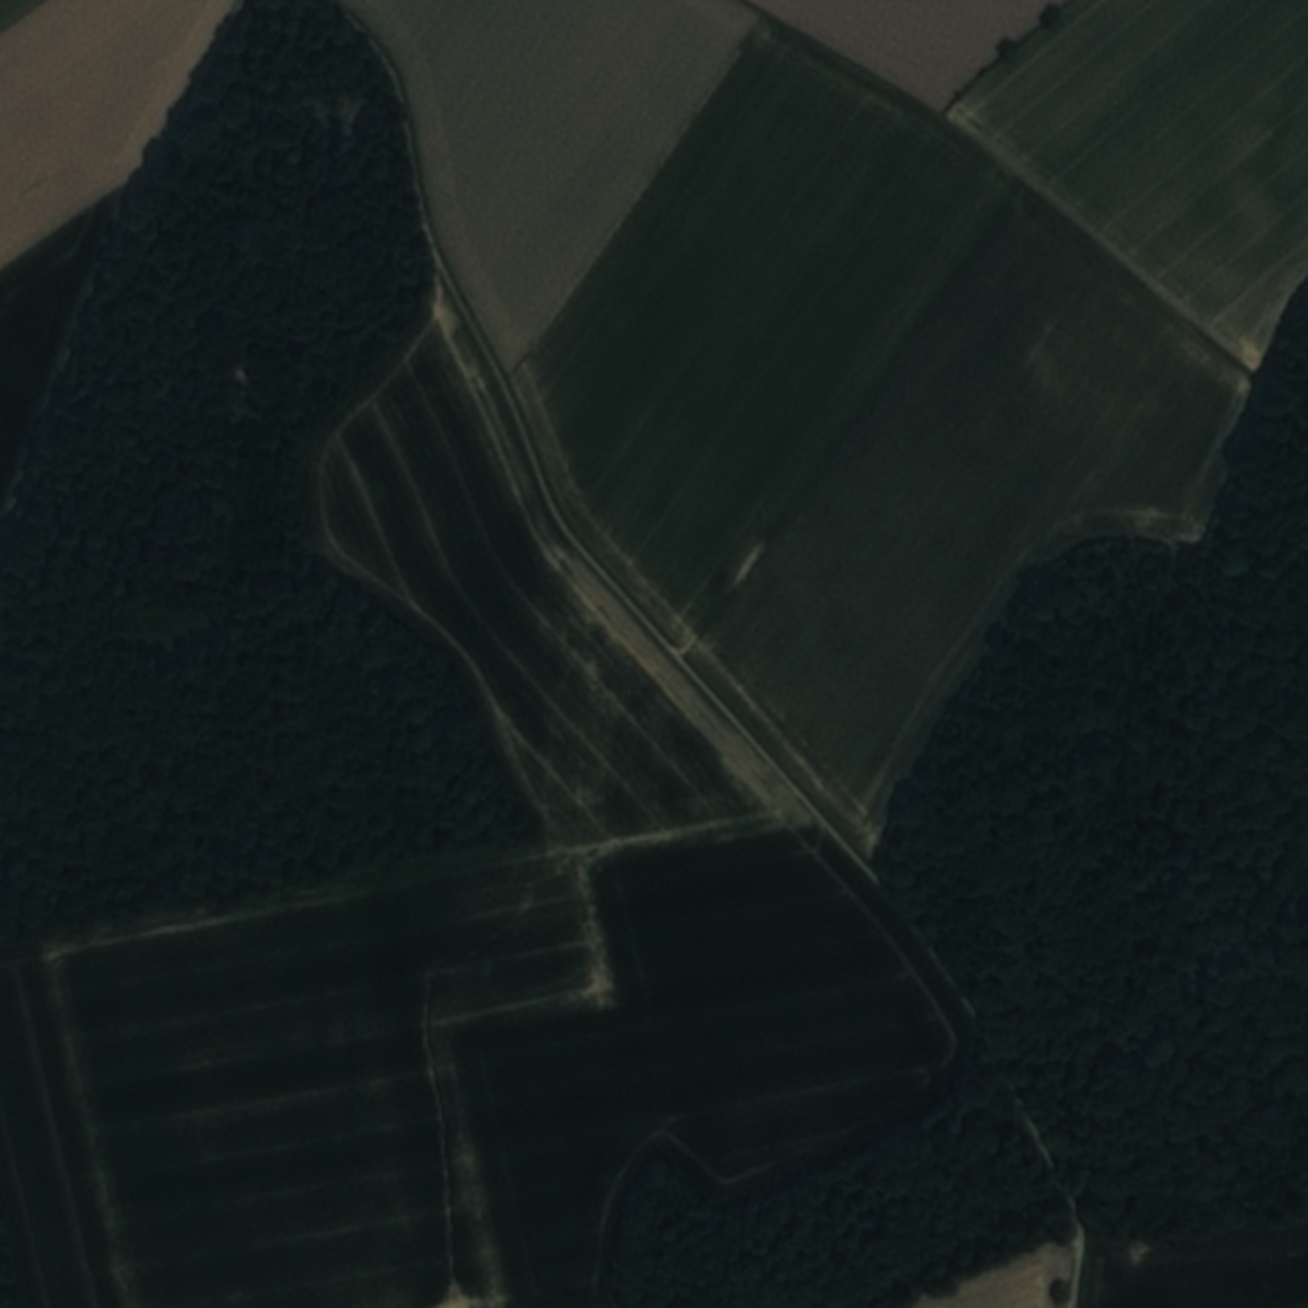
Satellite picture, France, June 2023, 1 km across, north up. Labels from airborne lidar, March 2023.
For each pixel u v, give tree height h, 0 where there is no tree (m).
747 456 0
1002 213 0
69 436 28
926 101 0
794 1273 22
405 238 13
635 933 0
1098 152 0
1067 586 27
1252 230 0
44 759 29
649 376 0
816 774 0
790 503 0
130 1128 0
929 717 0
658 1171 19
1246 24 0
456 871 0
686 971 0
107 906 23
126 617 23
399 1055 0
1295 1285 0
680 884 0
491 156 0
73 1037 0
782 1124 0
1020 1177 27
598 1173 0
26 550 26
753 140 0
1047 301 0
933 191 0
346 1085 0
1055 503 0
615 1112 0
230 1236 0
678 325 0
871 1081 0
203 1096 0
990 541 0
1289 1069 28
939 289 0
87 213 0
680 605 0
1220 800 23
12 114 0
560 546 0
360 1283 0
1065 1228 24
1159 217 0
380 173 24
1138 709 19
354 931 0
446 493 0
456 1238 0
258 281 21
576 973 0
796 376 0
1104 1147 24
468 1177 0
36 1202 0
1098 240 0
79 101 0
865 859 0
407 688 23
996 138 0
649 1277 21
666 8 0
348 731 26
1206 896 26
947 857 22
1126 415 0
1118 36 0
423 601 0
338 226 22
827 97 0
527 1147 0
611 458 0
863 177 0
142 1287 0
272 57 13
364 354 17
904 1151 26
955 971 9
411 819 26
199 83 18
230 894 22
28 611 29
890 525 0
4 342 0
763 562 0
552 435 0
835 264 0
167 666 25
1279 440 28
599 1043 0
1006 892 21
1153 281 0
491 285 0
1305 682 31
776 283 0
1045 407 0
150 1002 0
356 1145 0
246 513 7
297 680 25
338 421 0
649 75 0
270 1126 0
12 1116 0
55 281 0
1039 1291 0
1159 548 6
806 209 0
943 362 0
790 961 0
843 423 0
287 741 30
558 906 0
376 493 0
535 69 0
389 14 0
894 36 0
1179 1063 28
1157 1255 0
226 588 21
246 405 19
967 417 0
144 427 24
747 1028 0
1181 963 19
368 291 24
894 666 0
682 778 0
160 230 13
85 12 0
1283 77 0
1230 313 0
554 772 0
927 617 0
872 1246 19
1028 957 29
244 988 0
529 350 0
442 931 0
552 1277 0
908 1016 0
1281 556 26
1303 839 30
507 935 0
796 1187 19
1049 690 27
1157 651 22
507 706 0
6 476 0
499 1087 0
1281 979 29
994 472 0
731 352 0
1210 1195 24
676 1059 0
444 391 0
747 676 0
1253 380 0
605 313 0
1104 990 22
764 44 0
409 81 0
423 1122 0
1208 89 0
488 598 0
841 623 0
